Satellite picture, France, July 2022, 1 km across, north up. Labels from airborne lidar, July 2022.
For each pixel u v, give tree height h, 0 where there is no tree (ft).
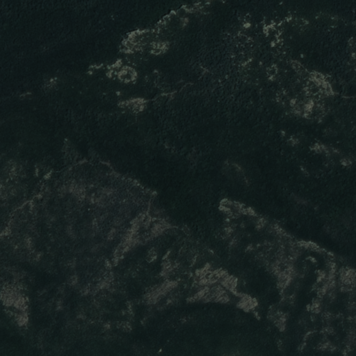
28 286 19
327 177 22
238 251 21
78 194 28
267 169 23
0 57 33
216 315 19
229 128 20
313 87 18
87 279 30
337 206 34
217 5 20
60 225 19
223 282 0
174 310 19
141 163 21
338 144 20
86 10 35
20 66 24
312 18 20
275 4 26
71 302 22
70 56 25
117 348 19
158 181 26
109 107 23
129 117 21
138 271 17
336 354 17
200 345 20
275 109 24
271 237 18
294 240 32
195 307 23
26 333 21
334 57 51
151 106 22
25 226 19
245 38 44
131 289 22
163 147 21
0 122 20
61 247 20
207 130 33
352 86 39
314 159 20
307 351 17
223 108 27
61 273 19
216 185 27
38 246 19
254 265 24
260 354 22
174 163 22
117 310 18
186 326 18
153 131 17
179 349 21
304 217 25
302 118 22
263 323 20
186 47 31
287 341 18
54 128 32
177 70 20
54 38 27
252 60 22
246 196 27
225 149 26
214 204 47
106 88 27
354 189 53
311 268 17
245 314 18
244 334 26
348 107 24
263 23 21
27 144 22
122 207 23
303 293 19
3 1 60
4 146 18
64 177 28
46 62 20
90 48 29
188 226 27
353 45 35
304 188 25
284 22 41
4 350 27
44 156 34
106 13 38
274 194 23
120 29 22
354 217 45
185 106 18
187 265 20
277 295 19
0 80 25
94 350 22
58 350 23
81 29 32
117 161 22
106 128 34
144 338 19
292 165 17
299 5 33
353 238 33
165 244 17
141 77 20
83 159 42
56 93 23
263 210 24
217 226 18
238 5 19
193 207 31
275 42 21
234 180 21
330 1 21
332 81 44
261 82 26
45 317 20
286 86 46
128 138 40
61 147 24
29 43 29
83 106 22
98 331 21
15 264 26
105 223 31
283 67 18
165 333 24
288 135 18
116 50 21
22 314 0
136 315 33
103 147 25
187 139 22
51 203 20
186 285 21
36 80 22
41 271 23
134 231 0
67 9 37
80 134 39
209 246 32
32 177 28
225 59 46
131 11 30
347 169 37
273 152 29
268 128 40
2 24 42
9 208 18
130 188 32
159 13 37
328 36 46
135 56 19
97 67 26
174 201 44
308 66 30
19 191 25
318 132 17
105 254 19
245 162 28
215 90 24
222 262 25
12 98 27
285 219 29
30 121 22
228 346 20
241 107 21
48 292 21
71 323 17
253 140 33
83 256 20
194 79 21
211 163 28
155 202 28
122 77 27
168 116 43
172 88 34
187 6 28
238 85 39
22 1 47
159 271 20
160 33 31
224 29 39
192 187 32
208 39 22
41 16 39
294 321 24
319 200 20
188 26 24
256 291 24
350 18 22
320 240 26
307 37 24
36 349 42
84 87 31
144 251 22
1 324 18
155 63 22
